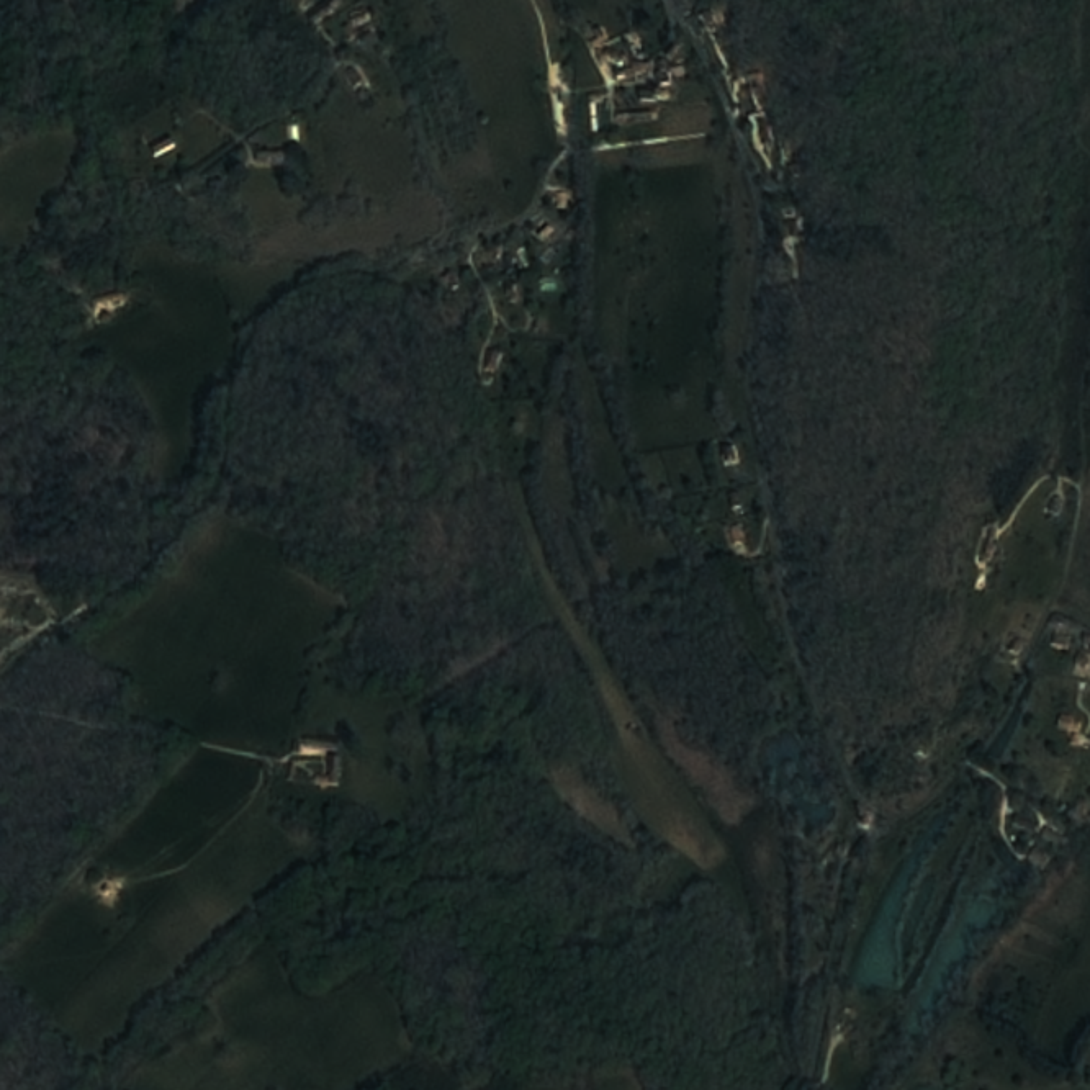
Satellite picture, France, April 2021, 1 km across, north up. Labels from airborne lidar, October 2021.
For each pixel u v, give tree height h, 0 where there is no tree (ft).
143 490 54
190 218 69
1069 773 0
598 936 74
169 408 0
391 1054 0
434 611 52
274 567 0
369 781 0
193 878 0
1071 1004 0
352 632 39
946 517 56
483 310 53
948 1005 42
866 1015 0
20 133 47
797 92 70
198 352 0
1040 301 74
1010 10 63
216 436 84
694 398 0
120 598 59
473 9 0
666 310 0
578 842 60
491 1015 66
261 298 0
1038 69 73
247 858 0
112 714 76
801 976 73
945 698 26
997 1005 27
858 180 68
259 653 0
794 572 52
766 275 45
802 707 32
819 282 37
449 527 78
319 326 64
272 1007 0
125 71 36
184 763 56
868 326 52
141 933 0
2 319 68
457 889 80
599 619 70
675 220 0
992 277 70
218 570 0
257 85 51
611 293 0
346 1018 0
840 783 65
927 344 49
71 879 54
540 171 45
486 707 61
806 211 61
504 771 89
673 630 67
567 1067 80
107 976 0
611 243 0
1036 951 0
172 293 0
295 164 50
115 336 0
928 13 76
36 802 52
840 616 53
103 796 47
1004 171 85
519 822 72
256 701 0
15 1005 48
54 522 61
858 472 44
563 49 26
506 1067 75
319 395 66
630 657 76
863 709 46
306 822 0
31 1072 52
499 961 80
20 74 36
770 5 61
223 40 91
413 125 53
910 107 73
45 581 59
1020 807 59
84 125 61
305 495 42
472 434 66
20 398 73
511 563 50
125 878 0
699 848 0
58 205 73
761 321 39
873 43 60
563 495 0
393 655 73
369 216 45
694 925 42
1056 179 72
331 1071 0
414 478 71
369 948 91
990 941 49
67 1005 0
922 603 26
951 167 78
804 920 70
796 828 64
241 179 69
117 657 0
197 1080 0
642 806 0
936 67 91
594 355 47
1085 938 0
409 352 64
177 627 0
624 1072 43
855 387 47
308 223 51
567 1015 81
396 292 67
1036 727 44
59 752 57
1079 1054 62
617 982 81
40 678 52
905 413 49
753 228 30
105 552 58
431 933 68
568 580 65
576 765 69
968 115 75
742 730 78
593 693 65
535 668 68
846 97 69
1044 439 62
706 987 55
